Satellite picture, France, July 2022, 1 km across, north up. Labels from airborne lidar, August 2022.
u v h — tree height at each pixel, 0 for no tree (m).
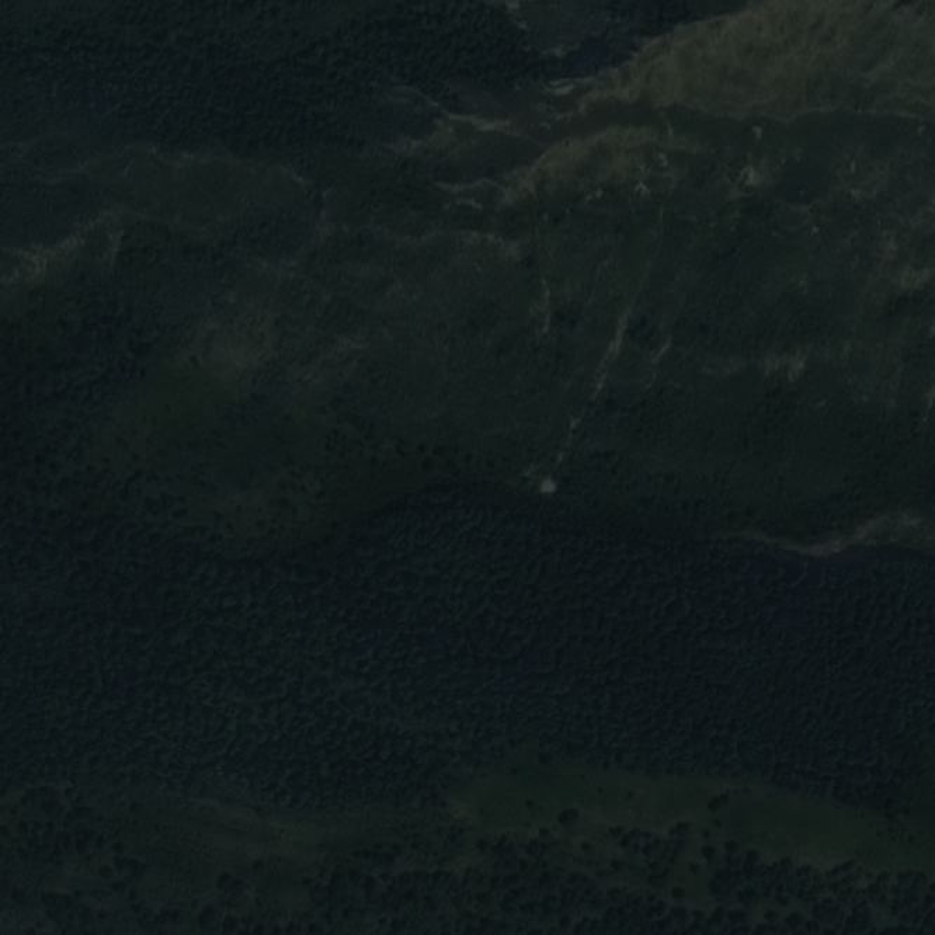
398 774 11
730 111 0
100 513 11
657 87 0
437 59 20
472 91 0
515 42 9
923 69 0
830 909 13
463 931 16
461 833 18
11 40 13
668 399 9
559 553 25
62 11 10
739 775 10
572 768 0
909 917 21
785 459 9
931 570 27
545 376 6
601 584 27
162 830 7
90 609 11
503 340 6
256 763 17
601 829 0
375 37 18
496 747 17
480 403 6
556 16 0
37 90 9
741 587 24
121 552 10
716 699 26
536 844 13
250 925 22
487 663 26
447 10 17
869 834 0
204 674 15
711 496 9
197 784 13
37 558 10
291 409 0
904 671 23
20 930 7
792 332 7
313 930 19
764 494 6
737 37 0
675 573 9
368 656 19
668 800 0
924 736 14
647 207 5
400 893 13
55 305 10
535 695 26
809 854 0
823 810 0
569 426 7
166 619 15
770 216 7
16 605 19
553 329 10
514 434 9
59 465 16
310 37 6
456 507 23
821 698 26
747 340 6
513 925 7
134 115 6
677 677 28
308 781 11
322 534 10
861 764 8
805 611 31
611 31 0
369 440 8
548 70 8
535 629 20
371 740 18
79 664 22
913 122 0
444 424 7
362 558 27
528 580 11
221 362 0
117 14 8
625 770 12
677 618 23
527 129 0
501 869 6
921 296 8
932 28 0
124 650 7
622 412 12
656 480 7
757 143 0
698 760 19
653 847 15
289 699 12
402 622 29
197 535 15
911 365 5
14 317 9
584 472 7
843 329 6
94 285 10
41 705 7
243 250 8
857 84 0
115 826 6
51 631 7
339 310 7
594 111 0
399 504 9
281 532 8
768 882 15
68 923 19
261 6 16
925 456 6
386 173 6
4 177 7
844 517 13
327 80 15
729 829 0
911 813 10
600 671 17
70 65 12
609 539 9
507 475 7
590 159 0
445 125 0
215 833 0
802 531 8
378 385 9
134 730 6
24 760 16
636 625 28
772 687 19
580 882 17
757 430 7
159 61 15
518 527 24
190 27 12
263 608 22
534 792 0
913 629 28
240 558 10
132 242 10
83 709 15
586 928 14
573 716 27
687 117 0
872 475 6
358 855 14
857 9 0
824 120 0
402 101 0
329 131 14
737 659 28
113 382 19
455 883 14
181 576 23
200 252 9
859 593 27
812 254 0
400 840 7
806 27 0
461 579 15
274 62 9
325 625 23
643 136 0
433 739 10
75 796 13
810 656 21
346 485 12
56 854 18
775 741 24
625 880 0
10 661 8
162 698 23
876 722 29
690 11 6
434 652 29
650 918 17
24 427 14
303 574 23
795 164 0
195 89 15
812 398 6
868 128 0
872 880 10
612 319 6
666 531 9
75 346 11
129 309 10
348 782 13
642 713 30
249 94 24
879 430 13
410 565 23
